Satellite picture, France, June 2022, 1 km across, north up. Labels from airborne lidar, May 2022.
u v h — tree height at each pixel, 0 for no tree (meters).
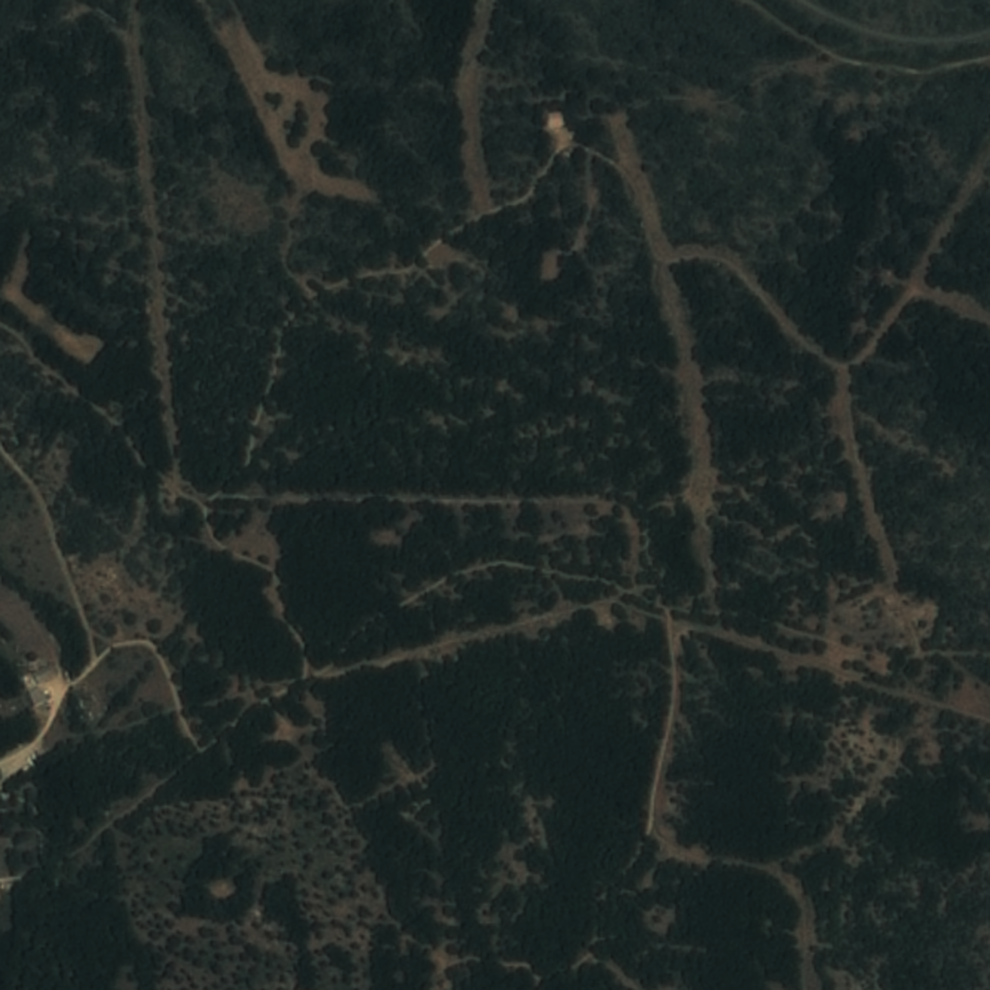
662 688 6
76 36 7
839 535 8
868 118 9
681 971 7
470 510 10
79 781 11
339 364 12
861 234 12
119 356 10
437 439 7
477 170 0
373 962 9
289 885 13
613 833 8
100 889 10
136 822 10
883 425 8
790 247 9
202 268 9
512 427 7
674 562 9
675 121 6
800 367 9
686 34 6
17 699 11
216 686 8
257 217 0
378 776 9
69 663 9
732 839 11
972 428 11
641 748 10
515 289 8
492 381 6
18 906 14
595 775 10
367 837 11
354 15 8
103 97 9
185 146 8
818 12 0
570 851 9
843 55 0
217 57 13
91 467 9
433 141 8
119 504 6
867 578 7
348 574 11
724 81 8
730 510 8
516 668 6
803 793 8
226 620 10
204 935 13
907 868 7
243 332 7
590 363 9
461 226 8
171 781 8
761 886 10
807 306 11
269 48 0
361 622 9
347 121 9
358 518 9
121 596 0
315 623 10
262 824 10
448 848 8
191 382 8
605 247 7
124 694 7
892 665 7
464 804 10
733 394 10
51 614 9
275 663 9
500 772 6
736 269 0
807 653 8
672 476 7
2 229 8
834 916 8
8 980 17
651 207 0
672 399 9
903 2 0
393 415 6
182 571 6
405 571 8
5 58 7
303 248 6
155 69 8
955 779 9
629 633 8
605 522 8
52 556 0
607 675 7
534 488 6
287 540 12
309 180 0
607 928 11
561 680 10
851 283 9
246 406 6
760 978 11
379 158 8
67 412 11
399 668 10
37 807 11
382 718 10
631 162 0
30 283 13
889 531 8
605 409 7
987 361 7
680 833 8
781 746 10
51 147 6
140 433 6
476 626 9
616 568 7
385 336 9
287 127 6
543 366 7
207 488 9
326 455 11
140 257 7
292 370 7
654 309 8
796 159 6
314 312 5
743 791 12
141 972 12
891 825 9
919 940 6
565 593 7
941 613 6
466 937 11
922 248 11
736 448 8
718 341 8
